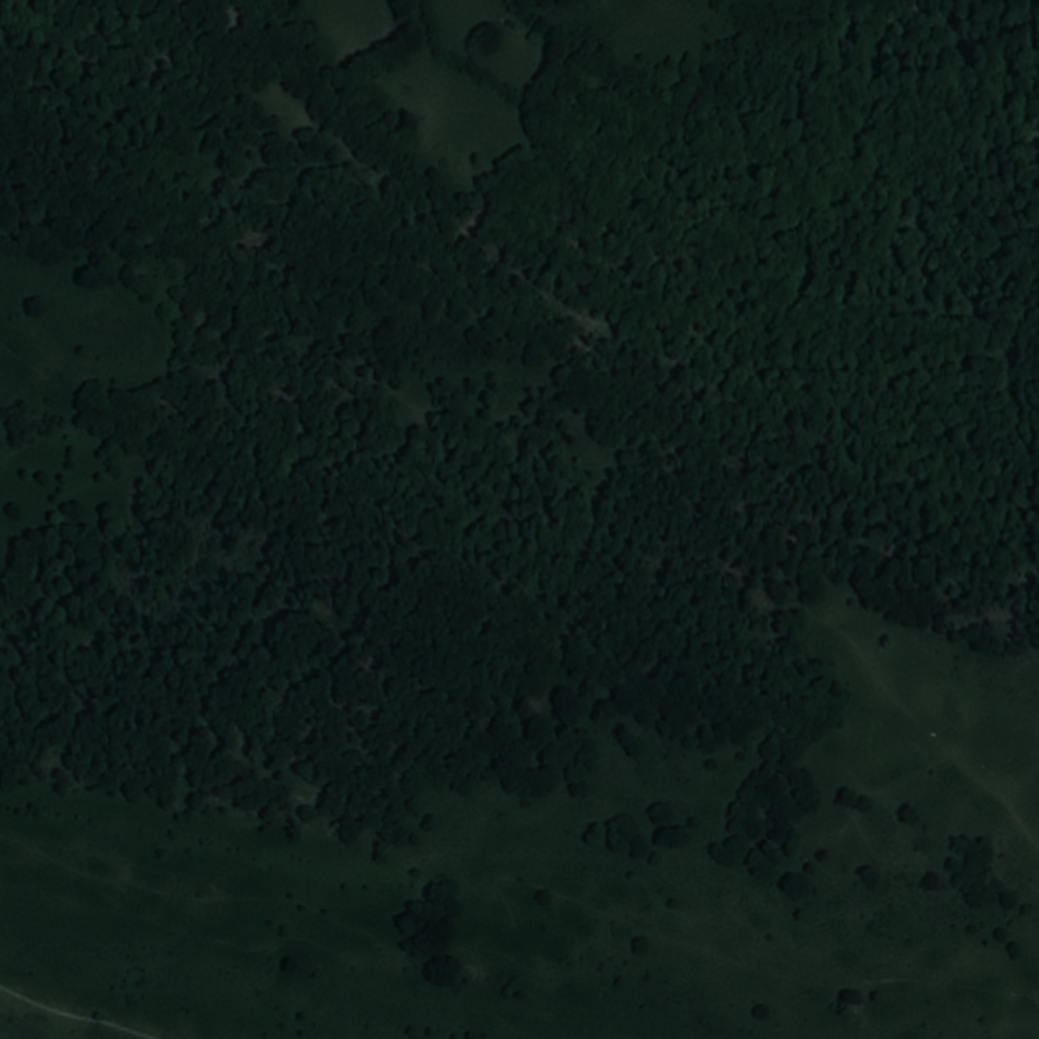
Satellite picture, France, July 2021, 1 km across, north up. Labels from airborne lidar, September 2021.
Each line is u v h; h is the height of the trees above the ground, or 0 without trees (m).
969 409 27
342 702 24
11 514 19
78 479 0
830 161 25
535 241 31
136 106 28
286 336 21
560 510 25
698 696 22
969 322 29
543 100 25
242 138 22
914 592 18
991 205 28
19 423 23
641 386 25
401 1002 0
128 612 8
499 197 24
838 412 29
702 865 0
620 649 24
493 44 21
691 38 0
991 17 16
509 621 22
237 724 23
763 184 27
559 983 0
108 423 22
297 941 0
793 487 19
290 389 18
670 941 0
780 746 16
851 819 0
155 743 27
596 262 28
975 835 0
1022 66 33
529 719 23
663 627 24
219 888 0
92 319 0
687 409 22
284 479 19
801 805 20
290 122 0
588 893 0
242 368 26
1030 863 0
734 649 27
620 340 18
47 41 27
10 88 23
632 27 0
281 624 26
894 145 29
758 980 0
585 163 29
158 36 25
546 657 23
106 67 27
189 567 7
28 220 20
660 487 27
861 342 24
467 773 24
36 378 0
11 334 0
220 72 25
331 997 0
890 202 30
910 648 0
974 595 26
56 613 24
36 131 23
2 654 24
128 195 23
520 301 28
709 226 30
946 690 0
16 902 0
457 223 23
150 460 14
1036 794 0
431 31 10
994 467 33
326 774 23
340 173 20
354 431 24
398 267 21
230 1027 0
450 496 30
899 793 0
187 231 23
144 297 18
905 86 32
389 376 23
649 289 30
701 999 0
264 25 23
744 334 29
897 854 0
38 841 0
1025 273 29
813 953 0
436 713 24
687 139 22
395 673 24
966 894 20
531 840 0
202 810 23
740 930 0
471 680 19
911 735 0
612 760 0
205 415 24
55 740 22
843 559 27
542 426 23
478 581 27
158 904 0
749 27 12
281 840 0
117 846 0
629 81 26
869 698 0
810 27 24
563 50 25
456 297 20
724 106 24
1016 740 0
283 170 24
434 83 0
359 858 0
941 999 0
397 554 23
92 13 24
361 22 0
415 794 22
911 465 24
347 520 25
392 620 23
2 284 0
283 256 20
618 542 24
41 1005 0
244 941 0
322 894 0
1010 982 0
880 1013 0
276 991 0
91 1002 0
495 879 0
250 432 16
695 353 25
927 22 28
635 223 21
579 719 14
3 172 23
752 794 20
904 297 31
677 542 23
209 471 22
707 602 25
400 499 23
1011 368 29
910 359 32
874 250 33
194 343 22
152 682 25
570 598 25
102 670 21
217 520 10
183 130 22
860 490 26
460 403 24
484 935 0
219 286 27
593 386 22
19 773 21
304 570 25
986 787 0
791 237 30
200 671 24
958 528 27
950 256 33
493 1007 0
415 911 29
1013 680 0
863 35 37
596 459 0
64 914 0
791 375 30
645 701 23
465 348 6
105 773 14
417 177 27
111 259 20
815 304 24
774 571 21
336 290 23
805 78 26
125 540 28
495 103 0
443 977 25
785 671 25
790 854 23
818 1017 0
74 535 27
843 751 0
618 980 8
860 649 0
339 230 24
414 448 22
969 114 27
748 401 23
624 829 24
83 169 23
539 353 19
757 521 25
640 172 30
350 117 25
